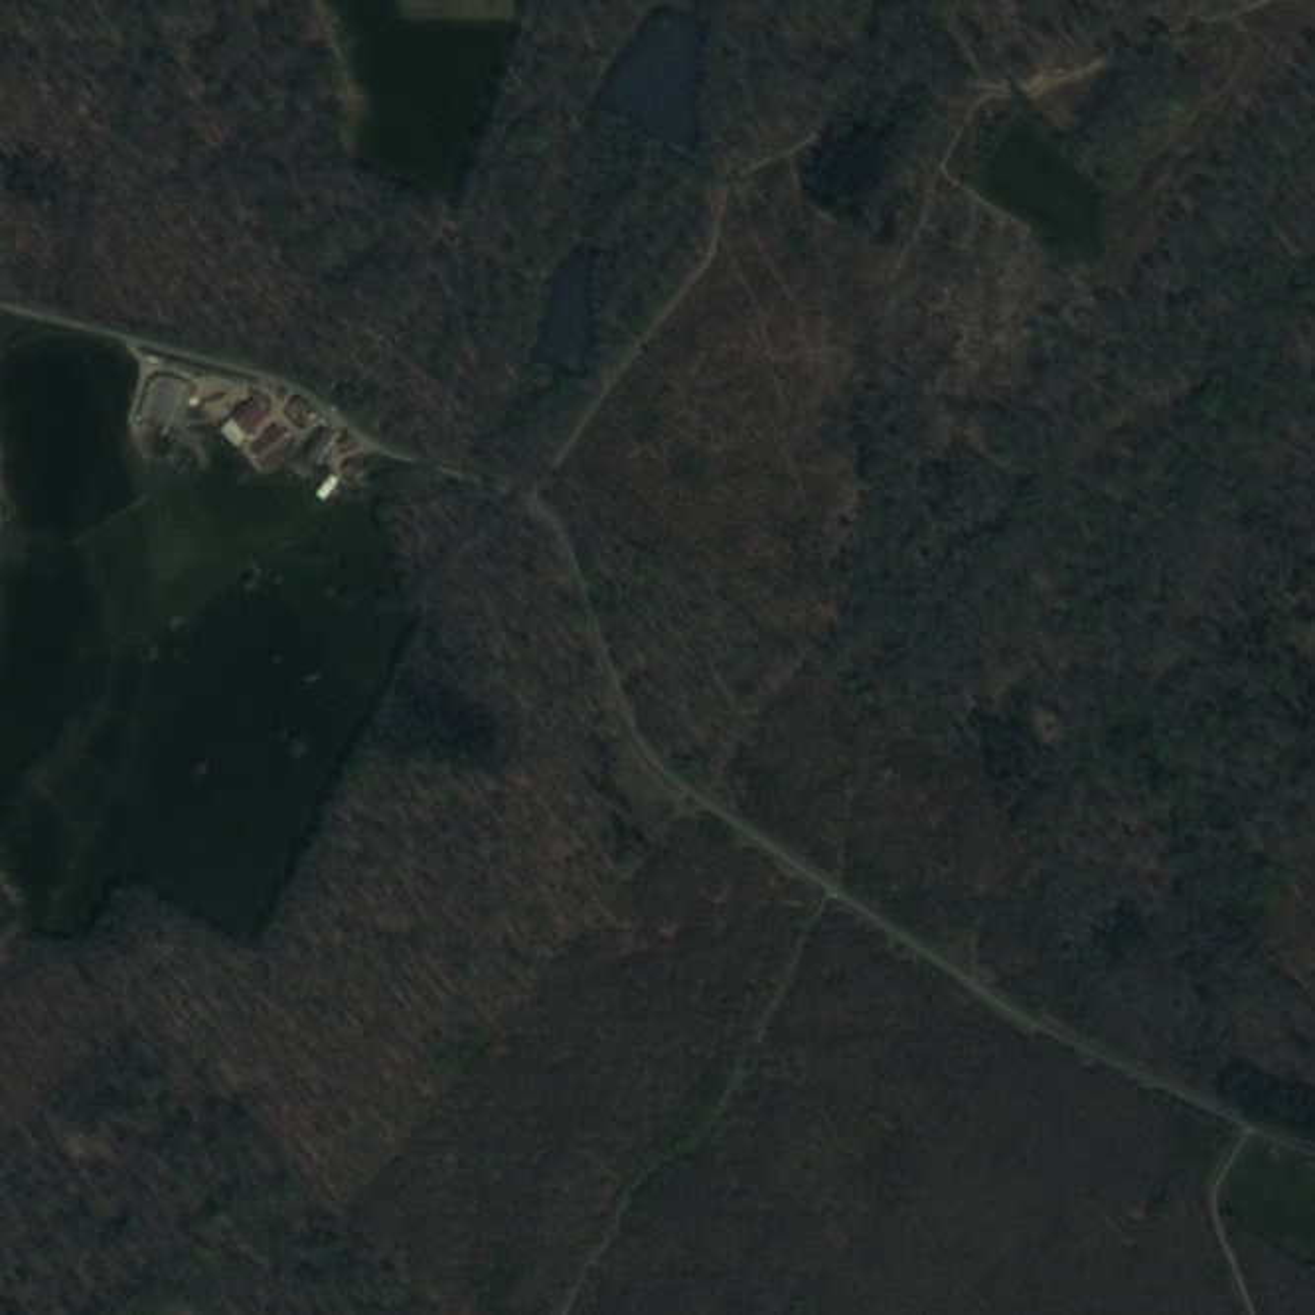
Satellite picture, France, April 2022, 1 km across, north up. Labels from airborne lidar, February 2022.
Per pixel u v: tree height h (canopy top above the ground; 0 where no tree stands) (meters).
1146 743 25
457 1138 9
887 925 0
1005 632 32
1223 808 28
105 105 27
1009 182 0
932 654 27
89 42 29
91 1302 31
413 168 0
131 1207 31
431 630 23
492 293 26
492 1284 6
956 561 22
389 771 24
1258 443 28
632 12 28
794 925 7
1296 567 29
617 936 11
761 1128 8
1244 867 26
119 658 0
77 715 12
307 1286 28
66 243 25
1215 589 31
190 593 0
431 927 28
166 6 25
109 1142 31
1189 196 0
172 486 0
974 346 0
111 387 0
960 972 0
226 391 0
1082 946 19
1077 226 0
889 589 15
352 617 0
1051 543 31
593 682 26
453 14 0
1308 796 27
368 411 19
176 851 0
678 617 25
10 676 0
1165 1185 11
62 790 0
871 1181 8
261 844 0
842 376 0
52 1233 27
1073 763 28
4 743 0
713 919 11
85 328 0
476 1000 0
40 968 21
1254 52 0
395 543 21
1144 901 25
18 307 0
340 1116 0
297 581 0
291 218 32
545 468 28
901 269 0
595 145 26
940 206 0
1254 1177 0
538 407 22
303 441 0
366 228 30
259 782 0
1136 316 27
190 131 30
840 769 11
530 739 26
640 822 25
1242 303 30
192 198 26
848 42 18
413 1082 0
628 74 0
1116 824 28
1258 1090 26
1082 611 30
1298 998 25
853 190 21
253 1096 0
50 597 0
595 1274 8
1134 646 29
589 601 0
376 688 0
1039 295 0
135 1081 30
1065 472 31
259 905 0
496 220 27
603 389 26
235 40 31
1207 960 24
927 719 24
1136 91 35
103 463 0
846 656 26
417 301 27
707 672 27
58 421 0
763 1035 0
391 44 0
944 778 6
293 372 19
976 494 25
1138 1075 0
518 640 28
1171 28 0
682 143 0
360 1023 25
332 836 21
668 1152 6
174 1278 31
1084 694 29
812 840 9
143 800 0
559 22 29
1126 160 35
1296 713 18
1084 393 28
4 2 29
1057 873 29
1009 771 31
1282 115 30
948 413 0
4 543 0
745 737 23
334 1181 0
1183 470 25
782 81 31
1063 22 0
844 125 30
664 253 31
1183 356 23
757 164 27
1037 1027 0
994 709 19
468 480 0
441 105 0
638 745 0
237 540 0
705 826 8
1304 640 26
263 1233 27
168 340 18
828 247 0
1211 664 33
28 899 0
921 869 7
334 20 0
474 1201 8
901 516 23
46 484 0
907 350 0
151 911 22
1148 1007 20
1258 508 28
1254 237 31
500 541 24
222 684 0
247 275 0
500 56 0
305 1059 26
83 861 0
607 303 26
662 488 6
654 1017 11
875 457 26
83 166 24
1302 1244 0
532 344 25
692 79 0
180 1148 32
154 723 0
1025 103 31
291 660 0
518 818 25
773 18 29
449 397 24
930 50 30
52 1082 0
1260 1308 11
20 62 27
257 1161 29
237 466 0
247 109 29
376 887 27
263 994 0
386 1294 26
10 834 0
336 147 30
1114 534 23
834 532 0
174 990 26
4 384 0
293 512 0
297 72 28
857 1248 11
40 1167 26
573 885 26
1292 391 24
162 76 29
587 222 25
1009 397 0
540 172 33
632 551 25
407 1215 11
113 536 0
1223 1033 25
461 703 28
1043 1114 12
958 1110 10
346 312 25
